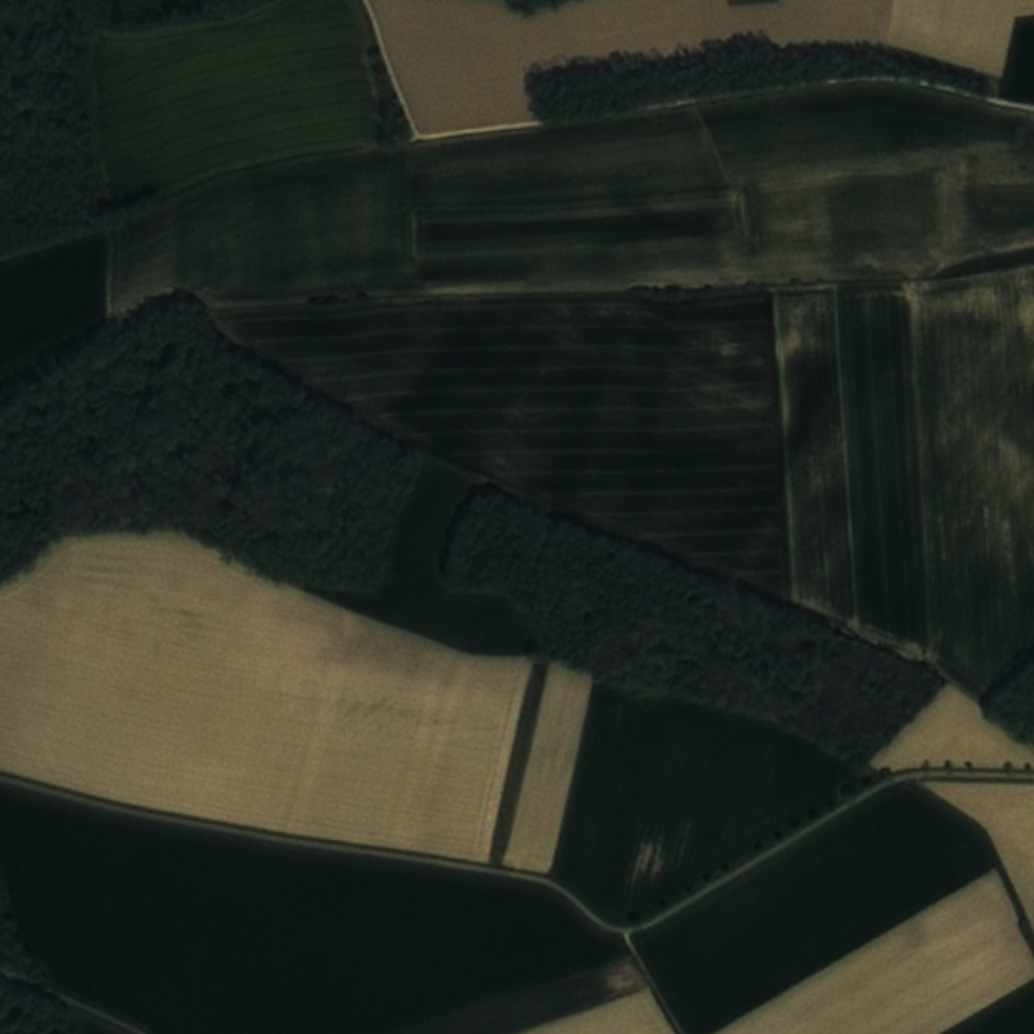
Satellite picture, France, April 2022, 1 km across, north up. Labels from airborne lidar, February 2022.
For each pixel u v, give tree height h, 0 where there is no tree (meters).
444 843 0
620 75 23
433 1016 0
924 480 0
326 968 0
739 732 0
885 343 0
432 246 0
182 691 0
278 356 0
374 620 0
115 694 0
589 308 0
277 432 28
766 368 0
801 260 0
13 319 0
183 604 0
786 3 0
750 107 0
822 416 0
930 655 0
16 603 0
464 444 0
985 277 0
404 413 0
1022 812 0
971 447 0
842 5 0
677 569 24
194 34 0
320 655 0
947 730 0
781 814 0
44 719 0
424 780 0
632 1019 0
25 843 0
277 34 0
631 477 0
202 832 0
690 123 0
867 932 0
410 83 0
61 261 0
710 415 0
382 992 0
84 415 24
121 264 0
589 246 0
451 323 0
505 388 0
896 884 0
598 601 26
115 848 0
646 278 0
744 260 0
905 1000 0
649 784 0
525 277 0
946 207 0
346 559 29
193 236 0
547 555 25
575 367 0
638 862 0
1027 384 0
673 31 0
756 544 0
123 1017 0
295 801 0
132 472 34
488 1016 0
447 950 0
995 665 0
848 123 0
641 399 0
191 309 20
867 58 20
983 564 0
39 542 28
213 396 27
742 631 29
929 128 0
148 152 0
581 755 0
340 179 0
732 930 0
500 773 0
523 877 0
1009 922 0
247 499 31
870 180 0
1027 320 0
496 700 0
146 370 28
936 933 0
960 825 0
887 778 10
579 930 0
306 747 0
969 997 0
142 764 0
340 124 0
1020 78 0
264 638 0
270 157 0
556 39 0
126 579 0
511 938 0
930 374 0
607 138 0
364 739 0
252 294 0
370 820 0
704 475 0
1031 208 0
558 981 0
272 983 0
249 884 0
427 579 0
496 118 0
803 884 0
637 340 0
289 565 24
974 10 0
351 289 0
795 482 0
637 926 12
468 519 21
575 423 0
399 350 0
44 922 0
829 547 0
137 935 0
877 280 0
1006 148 0
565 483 0
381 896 0
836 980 0
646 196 0
